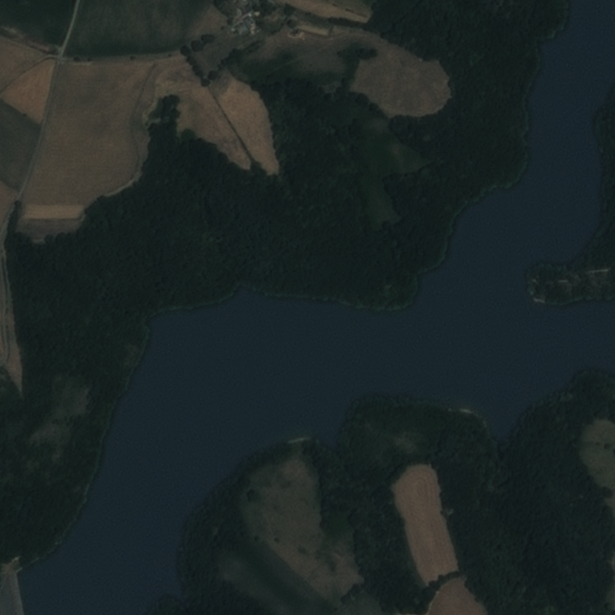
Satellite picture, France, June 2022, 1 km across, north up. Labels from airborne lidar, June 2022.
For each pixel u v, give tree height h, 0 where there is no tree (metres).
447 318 0
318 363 0
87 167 0
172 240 18
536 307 0
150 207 18
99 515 0
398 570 22
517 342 0
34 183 0
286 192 13
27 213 0
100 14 0
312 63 0
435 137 7
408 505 0
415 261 11
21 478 7
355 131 11
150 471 0
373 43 0
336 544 0
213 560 11
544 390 0
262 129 0
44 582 0
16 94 0
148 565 0
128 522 0
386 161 0
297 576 0
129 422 0
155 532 0
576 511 18
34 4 0
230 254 24
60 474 7
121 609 0
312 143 25
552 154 0
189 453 0
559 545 21
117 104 0
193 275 21
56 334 19
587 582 17
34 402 7
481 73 14
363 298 18
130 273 22
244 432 0
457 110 13
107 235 14
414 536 0
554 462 14
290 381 0
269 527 0
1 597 0
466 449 20
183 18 0
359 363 0
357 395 0
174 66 0
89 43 0
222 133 0
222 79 0
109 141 0
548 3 17
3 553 9
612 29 0
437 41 16
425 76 0
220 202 19
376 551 19
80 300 16
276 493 0
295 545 0
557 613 19
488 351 0
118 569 0
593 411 15
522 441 19
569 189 0
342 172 18
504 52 16
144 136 0
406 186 22
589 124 0
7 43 0
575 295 10
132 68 0
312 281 19
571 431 21
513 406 0
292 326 0
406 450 0
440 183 17
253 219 14
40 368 9
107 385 15
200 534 16
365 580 7
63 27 0
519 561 14
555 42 0
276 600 0
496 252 0
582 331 0
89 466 14
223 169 14
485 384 0
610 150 16
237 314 0
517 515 27
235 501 16
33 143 0
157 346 0
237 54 13
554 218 0
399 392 0
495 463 21
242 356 0
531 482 14
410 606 18
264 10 9
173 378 0
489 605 15
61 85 0
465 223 0
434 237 13
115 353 10
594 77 0
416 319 0
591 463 0
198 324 0
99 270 16
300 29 0
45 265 6
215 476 0
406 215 23
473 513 14
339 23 14
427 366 0
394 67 0
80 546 0
